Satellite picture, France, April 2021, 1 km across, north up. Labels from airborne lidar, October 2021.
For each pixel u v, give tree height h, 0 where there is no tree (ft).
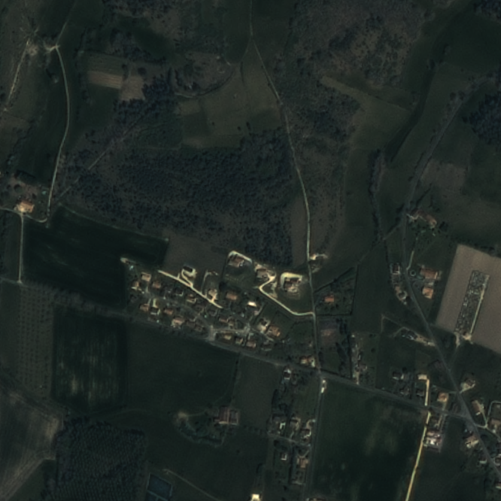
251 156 56
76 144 0
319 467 0
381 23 72
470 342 0
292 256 26
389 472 0
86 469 93
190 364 0
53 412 0
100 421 0
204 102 0
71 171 34
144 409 0
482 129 73
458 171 0
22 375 37
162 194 30
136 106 30
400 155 0
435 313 0
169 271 0
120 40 71
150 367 0
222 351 0
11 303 0
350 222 0
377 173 116
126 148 28
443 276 0
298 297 0
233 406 0
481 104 0
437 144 0
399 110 0
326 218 0
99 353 0
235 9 0
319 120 42
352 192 23
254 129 0
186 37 40
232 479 0
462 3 0
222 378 0
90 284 0
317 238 0
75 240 0
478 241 0
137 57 60
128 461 69
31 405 0
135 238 0
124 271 0
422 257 0
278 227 48
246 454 0
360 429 0
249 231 34
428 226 22
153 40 0
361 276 0
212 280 0
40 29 0
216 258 0
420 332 0
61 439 66
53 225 0
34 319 22
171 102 25
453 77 0
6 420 0
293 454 26
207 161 35
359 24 45
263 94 0
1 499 0
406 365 0
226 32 0
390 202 0
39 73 0
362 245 0
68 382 0
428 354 0
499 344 0
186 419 0
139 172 27
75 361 0
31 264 0
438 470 0
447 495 0
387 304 0
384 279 0
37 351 20
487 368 0
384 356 0
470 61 0
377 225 23
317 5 46
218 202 30
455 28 0
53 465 0
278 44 0
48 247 0
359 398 0
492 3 56
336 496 0
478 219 0
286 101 44
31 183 66
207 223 37
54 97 0
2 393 0
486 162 0
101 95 0
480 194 0
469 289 0
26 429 0
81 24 0
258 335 27
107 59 0
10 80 0
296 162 39
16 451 0
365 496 0
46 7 0
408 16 64
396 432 0
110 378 0
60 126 0
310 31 45
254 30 0
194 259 0
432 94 0
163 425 0
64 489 88
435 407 0
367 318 0
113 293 0
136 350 0
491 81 38
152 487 0
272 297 0
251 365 0
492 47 0
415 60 0
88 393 0
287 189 25
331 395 0
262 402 0
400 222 38
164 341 0
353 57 47
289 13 0
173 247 0
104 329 0
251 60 0
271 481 0
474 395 0
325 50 51
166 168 27
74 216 0
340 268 0
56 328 0
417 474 25
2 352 0
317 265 0
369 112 0
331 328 0
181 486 0
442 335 0
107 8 26
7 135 0
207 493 21
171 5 28
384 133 0
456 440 0
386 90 0
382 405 0
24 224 0
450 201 0
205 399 0
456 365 0
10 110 0
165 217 24
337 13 63
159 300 0
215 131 0
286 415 25
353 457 0
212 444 39
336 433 0
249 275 0
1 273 21
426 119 0
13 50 0
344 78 0
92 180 36
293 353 30
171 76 27
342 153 27
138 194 20
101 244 0
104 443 80
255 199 49
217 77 0
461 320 0
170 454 0
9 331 0
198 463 0
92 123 0
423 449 0
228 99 0
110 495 79
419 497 0
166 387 0
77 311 0
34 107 0
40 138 0
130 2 45
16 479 0
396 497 0
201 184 31
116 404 0
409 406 0
